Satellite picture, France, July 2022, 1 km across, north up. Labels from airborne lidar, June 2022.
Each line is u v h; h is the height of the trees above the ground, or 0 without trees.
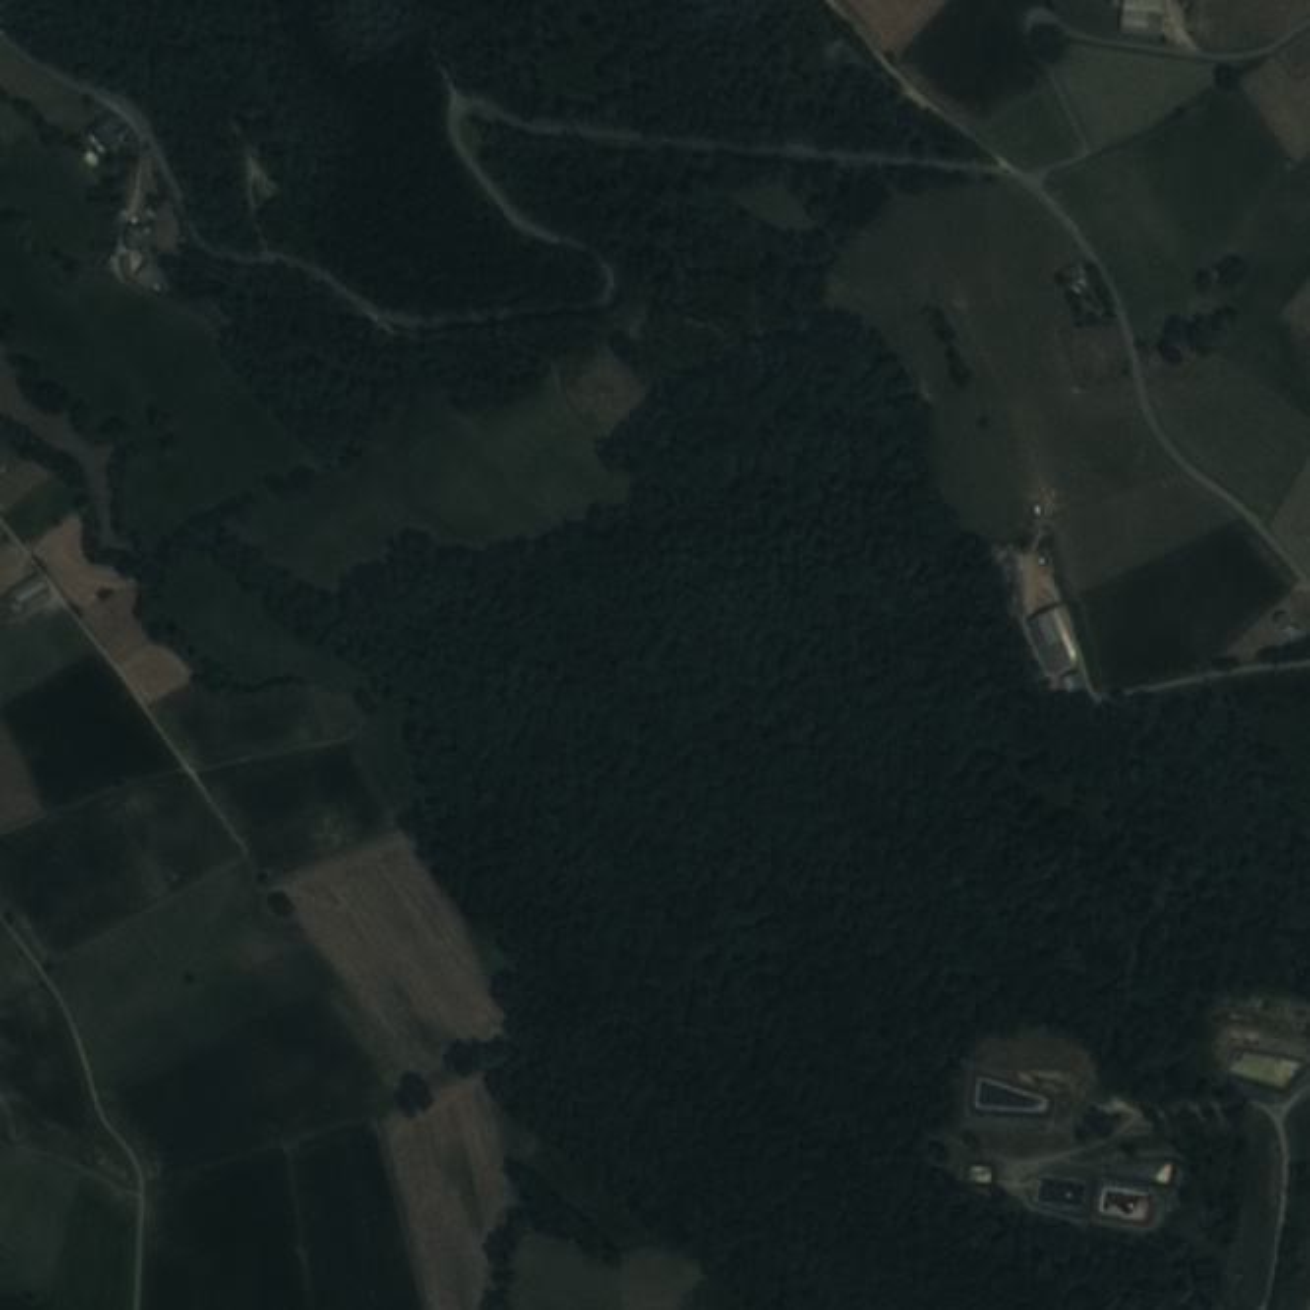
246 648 0
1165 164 0
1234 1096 18
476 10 16
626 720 20
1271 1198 0
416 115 22
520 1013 19
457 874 20
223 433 0
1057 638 0
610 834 20
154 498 0
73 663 0
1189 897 16
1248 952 20
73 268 16
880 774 20
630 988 25
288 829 0
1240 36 0
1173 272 0
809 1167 21
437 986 0
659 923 22
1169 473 0
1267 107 0
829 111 14
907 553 24
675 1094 19
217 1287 0
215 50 14
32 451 17
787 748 23
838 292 0
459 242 22
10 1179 0
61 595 0
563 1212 28
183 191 8
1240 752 22
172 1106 0
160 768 0
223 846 0
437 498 0
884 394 22
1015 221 0
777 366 28
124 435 19
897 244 0
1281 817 20
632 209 7
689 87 16
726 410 26
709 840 25
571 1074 23
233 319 16
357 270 15
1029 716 15
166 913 0
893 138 17
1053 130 0
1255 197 0
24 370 16
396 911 0
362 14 15
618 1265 12
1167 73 0
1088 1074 0
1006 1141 0
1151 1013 22
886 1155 23
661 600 16
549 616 13
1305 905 23
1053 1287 21
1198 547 0
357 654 16
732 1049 25
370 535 0
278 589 19
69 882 0
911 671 19
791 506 16
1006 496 0
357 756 0
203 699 0
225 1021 0
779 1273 25
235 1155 0
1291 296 0
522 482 0
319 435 27
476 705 20
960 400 0
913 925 18
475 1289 0
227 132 14
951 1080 22
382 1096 0
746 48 15
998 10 0
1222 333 22
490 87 18
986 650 25
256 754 0
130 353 0
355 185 23
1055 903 16
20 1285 0
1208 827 18
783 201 0
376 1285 0
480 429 0
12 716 0
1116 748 16
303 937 0
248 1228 0
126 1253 0
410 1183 0
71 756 0
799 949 18
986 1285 19
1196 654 0
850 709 14
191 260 15
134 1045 0
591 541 24
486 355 17
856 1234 19
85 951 0
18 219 17
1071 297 6
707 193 25
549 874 17
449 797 22
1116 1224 0
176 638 13
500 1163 0
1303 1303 0
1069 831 13
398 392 26
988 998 18
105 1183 0
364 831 0
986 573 23
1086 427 0
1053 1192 0
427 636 14
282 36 19
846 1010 22
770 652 20
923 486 20
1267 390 0
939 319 9
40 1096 0
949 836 21
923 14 0
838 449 26
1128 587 0
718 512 17
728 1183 19
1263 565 0
